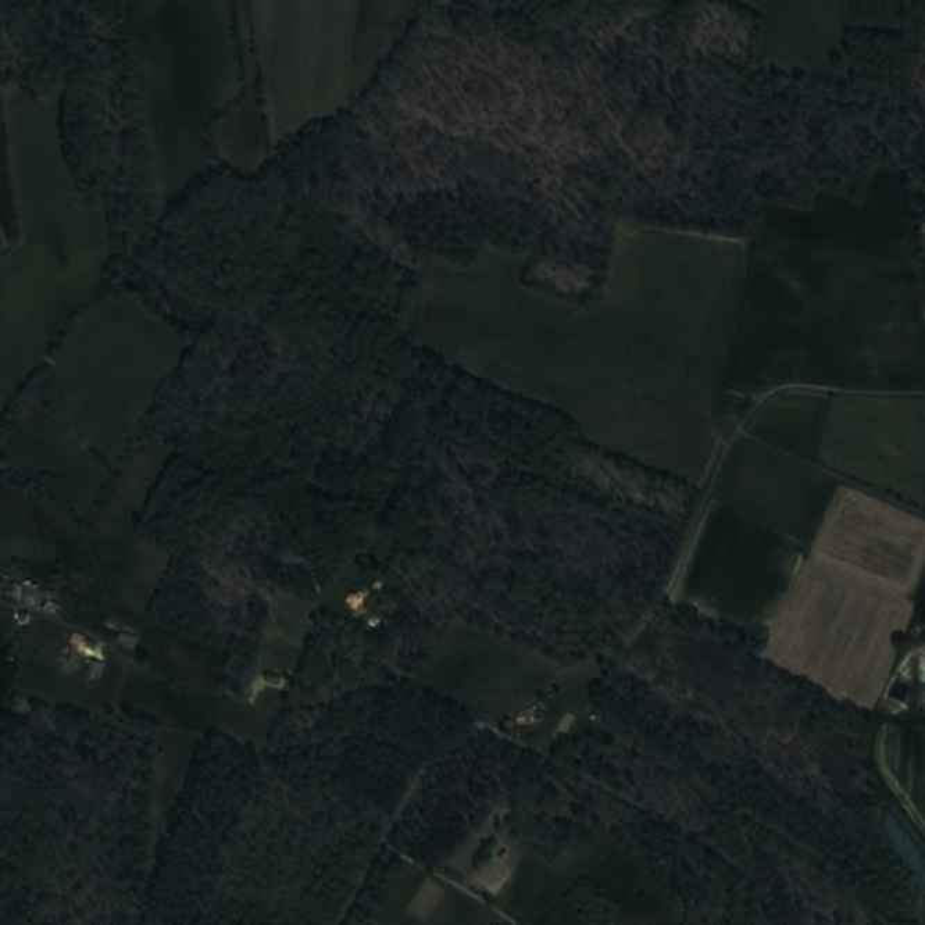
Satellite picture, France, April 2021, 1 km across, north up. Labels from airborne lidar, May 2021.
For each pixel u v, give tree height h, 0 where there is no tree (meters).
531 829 10
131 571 0
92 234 0
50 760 17
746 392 0
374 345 21
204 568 7
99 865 6
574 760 17
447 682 0
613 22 8
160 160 0
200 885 25
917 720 0
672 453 0
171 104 0
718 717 18
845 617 0
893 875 23
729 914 18
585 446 16
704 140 14
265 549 12
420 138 10
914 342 0
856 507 0
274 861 14
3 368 0
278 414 18
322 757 13
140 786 16
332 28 0
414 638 16
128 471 0
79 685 0
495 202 12
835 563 0
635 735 20
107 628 0
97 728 10
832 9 0
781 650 0
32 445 0
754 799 25
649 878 0
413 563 20
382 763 22
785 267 0
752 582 0
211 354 17
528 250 15
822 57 0
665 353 0
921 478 0
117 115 12
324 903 17
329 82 0
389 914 0
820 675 0
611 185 22
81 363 0
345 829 11
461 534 22
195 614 8
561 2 19
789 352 0
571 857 11
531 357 0
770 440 0
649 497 13
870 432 0
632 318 0
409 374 12
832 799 20
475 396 15
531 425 17
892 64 15
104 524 0
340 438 21
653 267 0
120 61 21
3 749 16
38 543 0
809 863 21
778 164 7
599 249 10
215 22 0
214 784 25
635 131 18
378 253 15
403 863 16
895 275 0
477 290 0
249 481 15
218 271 9
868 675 0
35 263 0
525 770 19
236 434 17
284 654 0
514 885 0
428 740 28
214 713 0
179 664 0
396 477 15
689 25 10
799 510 0
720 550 0
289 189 17
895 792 0
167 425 17
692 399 0
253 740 0
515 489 17
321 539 17
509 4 19
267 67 0
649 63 10
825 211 0
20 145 0
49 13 14
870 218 0
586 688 0
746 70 14
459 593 9
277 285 17
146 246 14
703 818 18
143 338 0
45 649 0
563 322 0
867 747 14
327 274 13
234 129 0
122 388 0
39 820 22
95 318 0
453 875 13
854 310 0
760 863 17
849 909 18
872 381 0
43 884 16
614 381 0
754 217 13
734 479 0
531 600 13
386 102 18
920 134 15
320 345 15
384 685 11
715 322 0
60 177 0
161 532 16
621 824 12
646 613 16
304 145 17
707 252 0
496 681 0
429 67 9
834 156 23
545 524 12
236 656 17
